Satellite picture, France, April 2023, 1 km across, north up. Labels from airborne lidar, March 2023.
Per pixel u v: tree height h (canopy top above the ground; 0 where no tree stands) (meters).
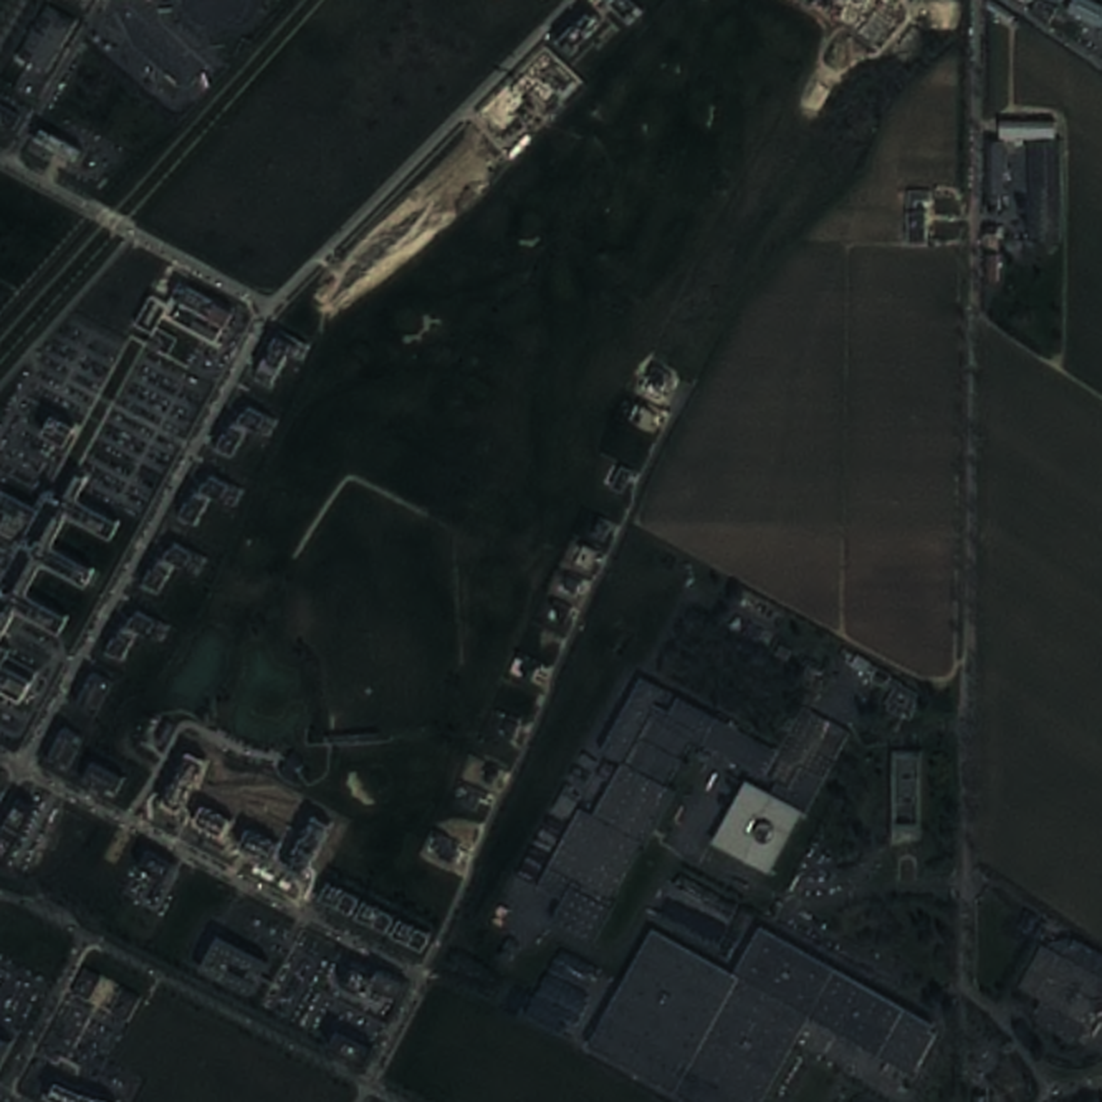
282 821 0
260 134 0
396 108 0
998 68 0
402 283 0
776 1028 0
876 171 0
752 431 0
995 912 0
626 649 0
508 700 0
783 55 0
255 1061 0
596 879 0
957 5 0
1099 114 0
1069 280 0
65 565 0
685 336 0
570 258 0
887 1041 0
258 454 0
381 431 0
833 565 0
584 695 0
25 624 0
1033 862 0
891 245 0
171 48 0
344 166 0
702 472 0
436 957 0
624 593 0
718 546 0
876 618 0
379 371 0
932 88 0
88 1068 0
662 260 0
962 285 0
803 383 0
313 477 0
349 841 0
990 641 0
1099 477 0
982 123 0
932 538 0
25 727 0
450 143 0
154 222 0
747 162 0
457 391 0
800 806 0
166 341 0
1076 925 0
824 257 0
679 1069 0
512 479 0
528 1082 0
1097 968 0
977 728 19
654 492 0
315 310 0
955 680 0
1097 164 0
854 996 0
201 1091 0
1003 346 0
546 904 0
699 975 0
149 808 0
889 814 0
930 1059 0
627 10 0
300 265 0
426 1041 0
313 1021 0
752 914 7
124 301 0
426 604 0
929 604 0
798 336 0
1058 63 0
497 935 0
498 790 0
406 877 0
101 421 0
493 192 0
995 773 0
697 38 0
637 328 0
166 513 0
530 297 0
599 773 0
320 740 0
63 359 0
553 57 0
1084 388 0
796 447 0
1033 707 0
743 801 0
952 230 0
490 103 0
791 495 0
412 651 0
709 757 0
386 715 0
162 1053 0
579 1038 0
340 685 0
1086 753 0
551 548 0
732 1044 0
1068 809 0
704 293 0
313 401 0
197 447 0
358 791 0
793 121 0
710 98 0
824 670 7
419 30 0
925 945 8
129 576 0
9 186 0
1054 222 0
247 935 0
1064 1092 0
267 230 0
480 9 0
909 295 0
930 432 0
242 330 0
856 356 0
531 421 0
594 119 0
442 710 0
